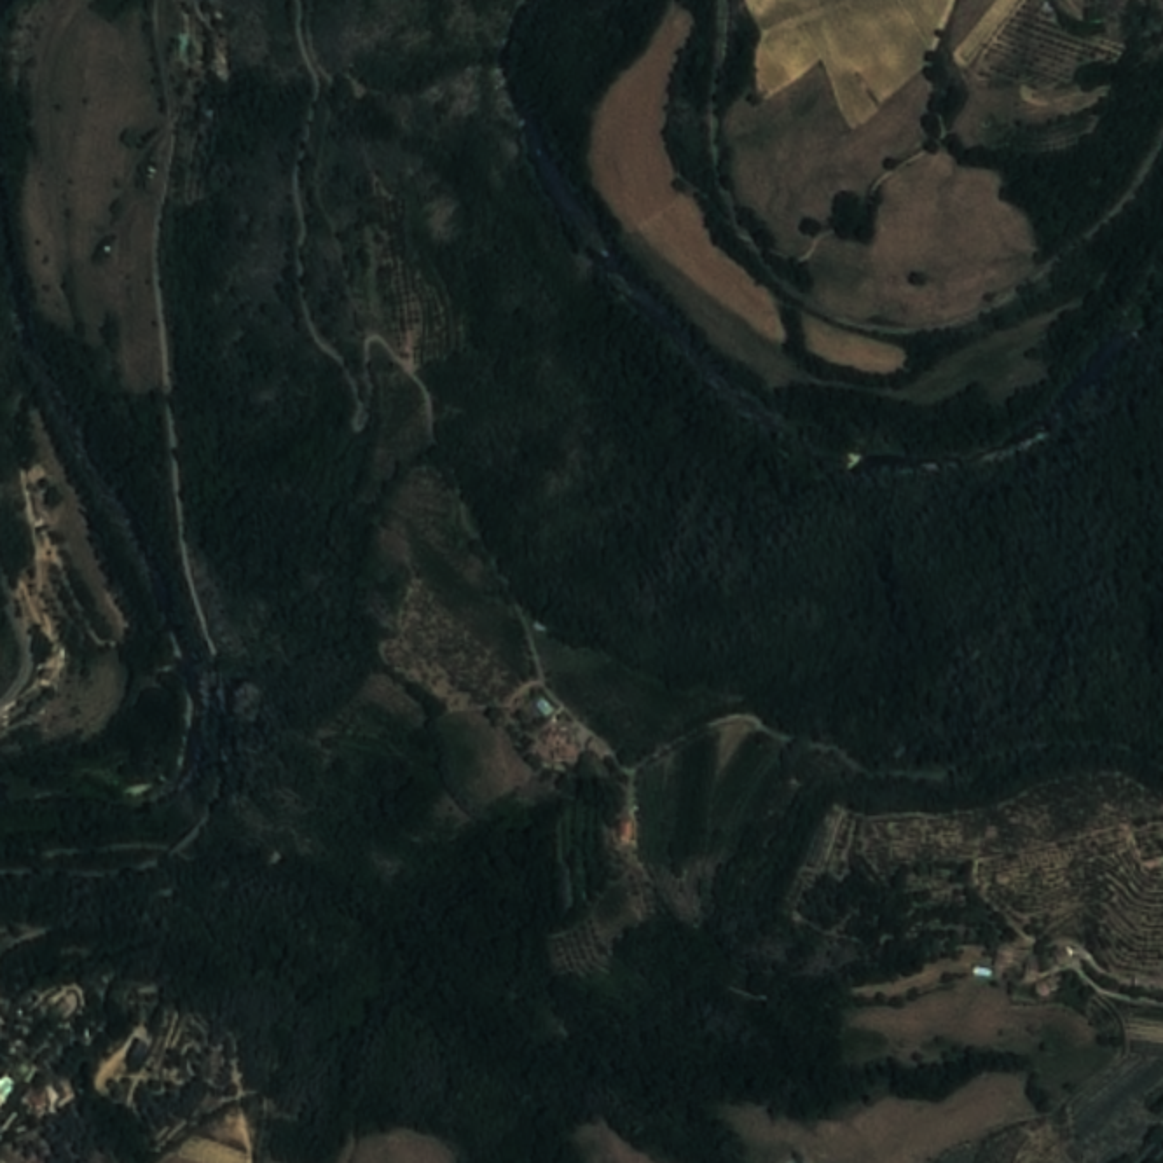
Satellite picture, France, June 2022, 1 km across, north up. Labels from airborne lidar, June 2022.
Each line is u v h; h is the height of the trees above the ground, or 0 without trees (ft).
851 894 39
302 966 71
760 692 26
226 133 22
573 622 54
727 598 49
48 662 26
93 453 59
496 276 48
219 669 40
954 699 25
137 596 70
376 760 37
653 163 0
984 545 64
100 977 45
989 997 0
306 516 34
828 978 35
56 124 0
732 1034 60
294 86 27
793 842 20
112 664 0
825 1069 59
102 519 58
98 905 51
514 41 56
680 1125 78
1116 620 71
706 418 91
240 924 58
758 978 45
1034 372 0
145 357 0
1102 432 51
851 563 27
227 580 31
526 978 44
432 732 46
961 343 40
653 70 0
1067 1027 0
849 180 0
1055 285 29
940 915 43
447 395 24
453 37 22
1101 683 61
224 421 26
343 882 43
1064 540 40
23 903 51
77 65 0
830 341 0
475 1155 30
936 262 0
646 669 24
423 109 31
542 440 45
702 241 0
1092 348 65
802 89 0
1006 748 34
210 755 45
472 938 64
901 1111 0
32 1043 37
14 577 53
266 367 24
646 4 50
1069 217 32
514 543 40
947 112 46
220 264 35
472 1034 78
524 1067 37
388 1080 45
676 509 55
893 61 0
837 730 22
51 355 57
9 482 23
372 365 28
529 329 41
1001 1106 0
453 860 26
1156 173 35
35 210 0
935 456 50
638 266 59
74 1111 32
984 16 0
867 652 66
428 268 24
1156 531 62
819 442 52
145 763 40
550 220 62
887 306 0
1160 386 55
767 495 72
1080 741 44
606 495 40
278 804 22
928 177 0
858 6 0
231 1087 34
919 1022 0
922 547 42
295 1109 41
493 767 0
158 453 44
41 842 37
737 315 0
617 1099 36
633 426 73
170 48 19
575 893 31
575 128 44
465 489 36
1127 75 41
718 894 28
